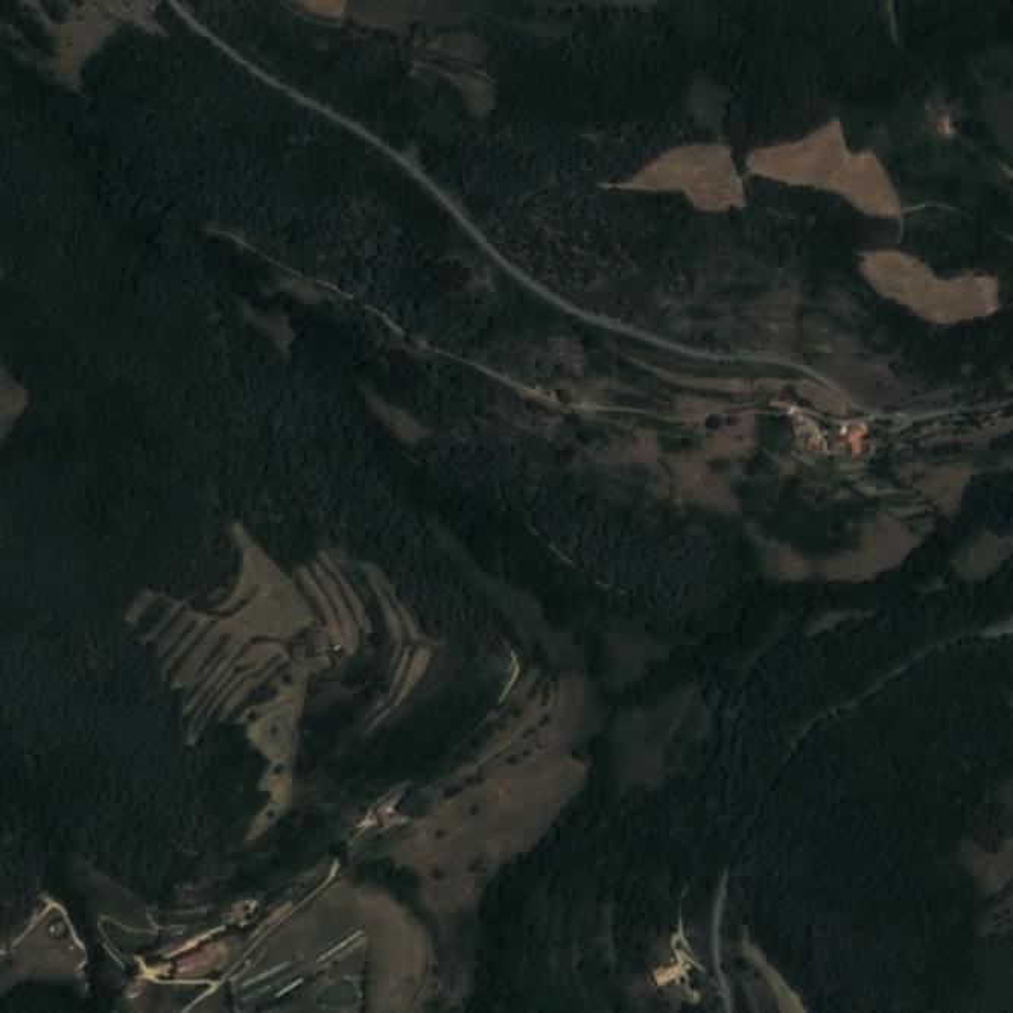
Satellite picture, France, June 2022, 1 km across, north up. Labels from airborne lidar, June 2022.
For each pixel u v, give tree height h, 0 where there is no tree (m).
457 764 11
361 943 0
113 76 13
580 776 0
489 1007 16
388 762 12
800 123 15
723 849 18
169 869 8
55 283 20
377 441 18
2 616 17
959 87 7
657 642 0
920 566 26
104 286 17
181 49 12
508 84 6
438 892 0
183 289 18
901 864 13
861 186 0
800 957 8
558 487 7
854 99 11
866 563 0
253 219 13
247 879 9
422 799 21
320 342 23
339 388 23
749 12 6
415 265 16
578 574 10
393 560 6
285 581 0
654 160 11
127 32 9
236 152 18
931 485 0
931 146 7
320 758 10
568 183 12
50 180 17
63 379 12
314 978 6
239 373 15
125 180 15
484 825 0
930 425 6
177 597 14
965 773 19
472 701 9
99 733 14
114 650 13
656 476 0
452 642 11
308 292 0
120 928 0
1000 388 9
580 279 7
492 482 18
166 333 17
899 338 9
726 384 0
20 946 0
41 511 21
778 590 12
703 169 0
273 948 0
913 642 19
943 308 0
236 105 12
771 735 21
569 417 10
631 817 6
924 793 18
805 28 18
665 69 15
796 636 8
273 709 0
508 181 17
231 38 12
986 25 15
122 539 20
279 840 7
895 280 0
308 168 9
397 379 19
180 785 18
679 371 0
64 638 14
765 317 8
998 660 22
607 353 8
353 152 14
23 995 18
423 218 9
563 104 11
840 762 14
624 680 0
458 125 8
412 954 0
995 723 16
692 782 8
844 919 17
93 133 24
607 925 0
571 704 0
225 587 13
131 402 21
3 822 7
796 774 19
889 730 18
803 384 0
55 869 19
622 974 7
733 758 11
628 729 0
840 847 18
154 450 18
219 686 0
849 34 16
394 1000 0
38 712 17
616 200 14
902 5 11
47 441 18
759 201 6
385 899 0
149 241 12
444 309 11
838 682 18
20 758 17
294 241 14
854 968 13
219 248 28
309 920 0
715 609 8
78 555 17
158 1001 0
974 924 13
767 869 18
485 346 15
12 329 16
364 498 16
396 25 0
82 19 8
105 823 18
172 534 19
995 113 0
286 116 11
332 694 0
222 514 12
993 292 0
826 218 9
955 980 12
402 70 6
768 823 11
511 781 0
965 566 0
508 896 18
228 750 7
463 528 23
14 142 18
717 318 0
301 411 17
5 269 13
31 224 27
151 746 16
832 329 0
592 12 17
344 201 22
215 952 0
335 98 12
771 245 10
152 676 18
